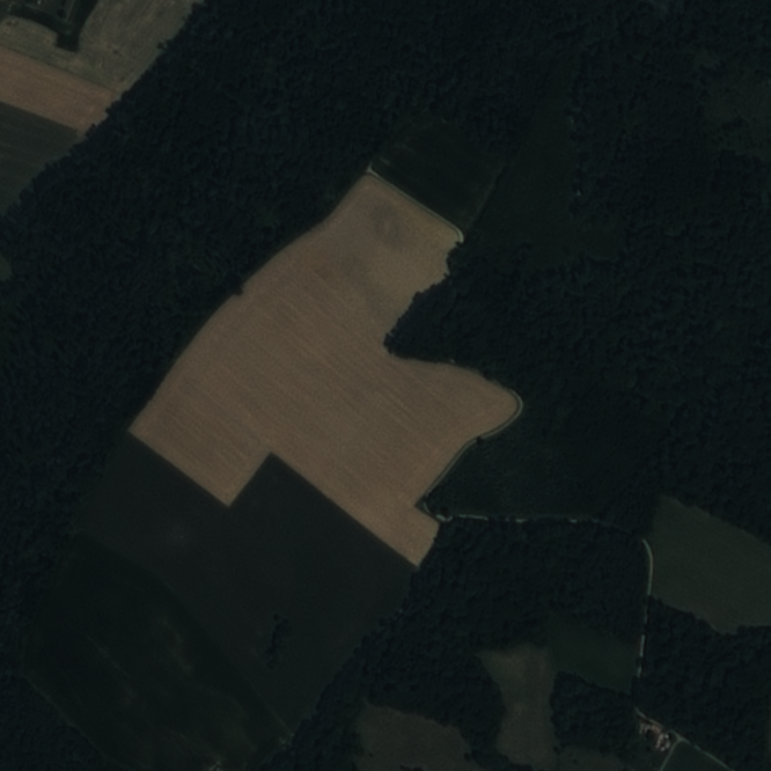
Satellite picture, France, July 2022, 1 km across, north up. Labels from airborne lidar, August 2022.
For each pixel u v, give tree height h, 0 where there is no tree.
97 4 0
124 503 0
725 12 23
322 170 33
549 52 26
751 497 21
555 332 23
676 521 0
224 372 0
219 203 24
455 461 0
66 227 31
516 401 0
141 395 19
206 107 16
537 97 28
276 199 26
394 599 0
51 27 0
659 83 20
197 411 0
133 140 25
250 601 0
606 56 28
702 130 21
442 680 25
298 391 0
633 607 18
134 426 0
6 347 0
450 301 21
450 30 21
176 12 0
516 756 0
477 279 19
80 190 18
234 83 13
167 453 0
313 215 23
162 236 11
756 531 18
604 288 26
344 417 0
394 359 0
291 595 0
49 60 0
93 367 24
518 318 23
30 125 0
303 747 21
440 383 0
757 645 15
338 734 19
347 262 0
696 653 14
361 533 0
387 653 21
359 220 0
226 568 0
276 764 11
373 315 0
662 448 22
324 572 0
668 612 9
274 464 0
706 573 0
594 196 21
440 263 0
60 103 0
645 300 26
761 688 25
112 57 0
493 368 18
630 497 15
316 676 0
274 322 0
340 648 0
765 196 20
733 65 22
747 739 22
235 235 20
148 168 18
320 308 0
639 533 21
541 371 21
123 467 0
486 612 27
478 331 27
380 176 0
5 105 0
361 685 21
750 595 0
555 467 8
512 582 25
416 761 0
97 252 27
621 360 21
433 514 11
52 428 31
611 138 21
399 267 0
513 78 26
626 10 25
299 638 0
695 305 22
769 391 25
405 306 0
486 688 25
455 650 17
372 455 0
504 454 7
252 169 22
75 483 26
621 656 0
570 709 27
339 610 0
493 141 19
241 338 0
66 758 23
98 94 0
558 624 0
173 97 14
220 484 0
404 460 0
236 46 24
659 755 0
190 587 0
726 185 26
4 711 29
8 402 30
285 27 11
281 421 0
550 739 0
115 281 26
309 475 0
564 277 22
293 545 0
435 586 24
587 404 13
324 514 0
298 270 0
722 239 24
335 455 0
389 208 0
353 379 0
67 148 0
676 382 11
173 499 0
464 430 0
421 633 16
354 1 13
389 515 0
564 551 21
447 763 0
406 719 0
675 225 22
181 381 0
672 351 25
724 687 24
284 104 7
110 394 21
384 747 0
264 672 0
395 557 0
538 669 0
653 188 23
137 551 0
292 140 31
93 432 24
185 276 28
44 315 30
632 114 23
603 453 13
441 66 24
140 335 9
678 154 28
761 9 22
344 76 27
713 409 22
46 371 32
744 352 11
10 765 23
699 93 12
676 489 24
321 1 12
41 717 24
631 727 17
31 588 22
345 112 20
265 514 0
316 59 20
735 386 25
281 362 0
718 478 12
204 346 0
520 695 0
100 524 0
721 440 23
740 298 24
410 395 0
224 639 0
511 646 10
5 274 0
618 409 11
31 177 0
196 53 21
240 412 0
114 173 17
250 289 0
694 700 18
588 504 8
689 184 26
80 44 0
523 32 24
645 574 18
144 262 25
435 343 18
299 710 0
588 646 0
